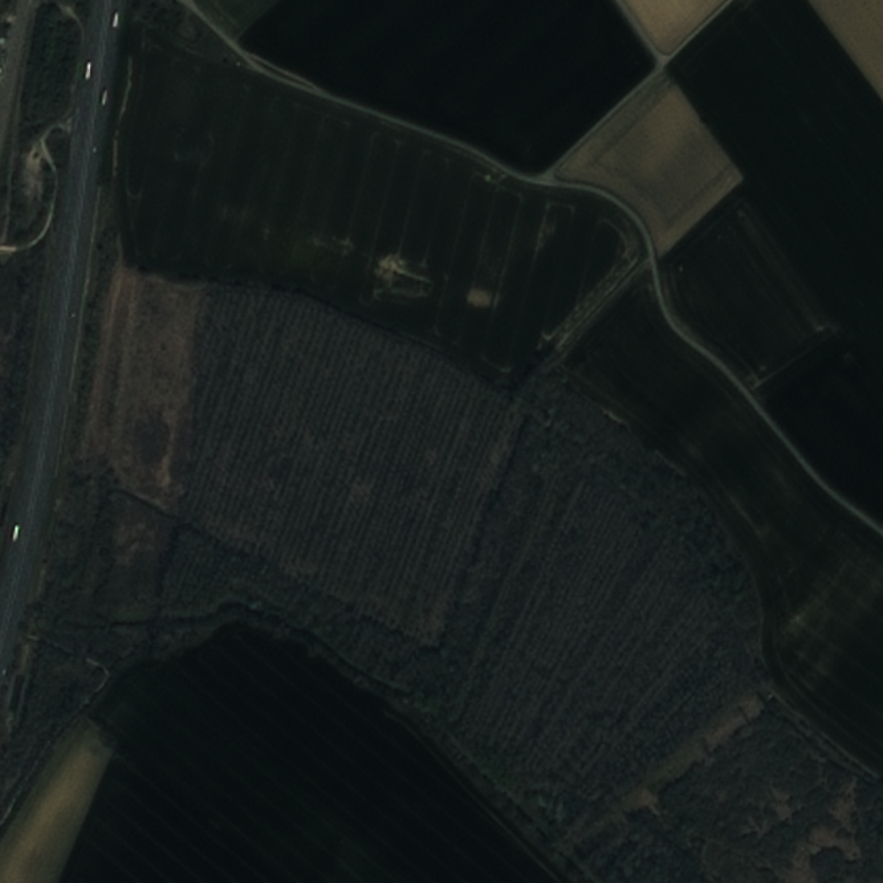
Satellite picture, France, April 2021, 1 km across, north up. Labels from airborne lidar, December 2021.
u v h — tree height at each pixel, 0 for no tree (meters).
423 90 0
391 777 0
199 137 0
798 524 0
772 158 0
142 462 0
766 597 0
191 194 0
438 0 0
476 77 0
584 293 0
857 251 0
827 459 0
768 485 0
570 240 0
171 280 0
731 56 0
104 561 9
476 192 0
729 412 0
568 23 0
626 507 27
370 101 0
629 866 28
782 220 0
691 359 0
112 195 0
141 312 0
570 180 0
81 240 0
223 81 0
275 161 0
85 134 0
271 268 0
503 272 0
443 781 0
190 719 0
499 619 21
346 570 28
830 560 0
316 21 0
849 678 0
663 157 0
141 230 0
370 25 0
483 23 0
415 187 0
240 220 0
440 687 9
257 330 6
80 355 0
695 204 0
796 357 0
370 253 0
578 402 22
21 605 0
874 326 0
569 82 0
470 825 0
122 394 0
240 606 12
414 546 23
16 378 7
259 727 0
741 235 0
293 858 0
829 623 0
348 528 25
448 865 0
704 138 0
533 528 25
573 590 27
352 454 7
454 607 12
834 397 0
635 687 26
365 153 0
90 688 11
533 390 13
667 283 0
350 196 0
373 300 0
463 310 0
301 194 0
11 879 0
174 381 0
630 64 0
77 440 13
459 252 0
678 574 21
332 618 10
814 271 0
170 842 0
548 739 30
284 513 25
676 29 0
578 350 0
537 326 0
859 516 0
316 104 0
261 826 0
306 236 0
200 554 21
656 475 16
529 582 16
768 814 7
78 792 0
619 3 0
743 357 0
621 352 0
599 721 26
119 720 0
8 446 7
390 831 0
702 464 0
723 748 6
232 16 0
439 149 0
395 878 0
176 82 0
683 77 0
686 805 8
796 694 0
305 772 0
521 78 0
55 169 8
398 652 6
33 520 0
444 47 0
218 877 0
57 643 7
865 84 0
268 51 0
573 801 7
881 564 0
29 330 11
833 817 7
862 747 0
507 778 21
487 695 30
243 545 6
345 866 0
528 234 0
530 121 0
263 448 7
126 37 0
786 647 0
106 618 6
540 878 0
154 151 0
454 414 6
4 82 0
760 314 0
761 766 6
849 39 0
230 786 0
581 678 27
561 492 13
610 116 0
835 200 0
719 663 15
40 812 0
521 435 8
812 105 0
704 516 14
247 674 0
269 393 24
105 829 0
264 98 0
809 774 6
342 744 0
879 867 6
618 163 0
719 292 0
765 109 0
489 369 0
